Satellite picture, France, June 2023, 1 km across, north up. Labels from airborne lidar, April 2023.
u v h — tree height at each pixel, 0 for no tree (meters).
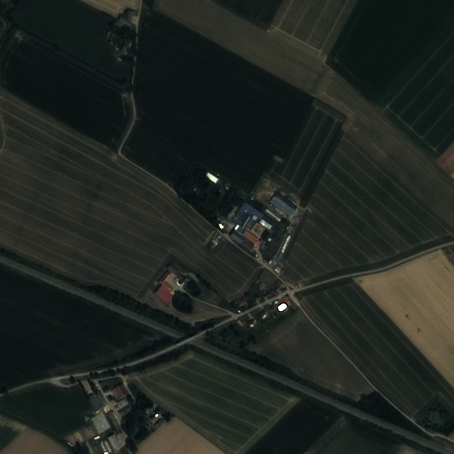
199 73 0
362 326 0
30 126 0
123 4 0
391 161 0
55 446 0
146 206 0
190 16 0
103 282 0
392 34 0
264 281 0
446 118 0
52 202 0
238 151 0
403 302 0
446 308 0
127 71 0
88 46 0
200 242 0
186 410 0
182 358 0
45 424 0
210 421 0
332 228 0
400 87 0
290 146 0
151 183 0
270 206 0
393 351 0
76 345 0
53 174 0
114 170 0
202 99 0
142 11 0
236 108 0
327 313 0
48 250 0
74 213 0
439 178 0
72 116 0
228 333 11
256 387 0
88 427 0
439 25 0
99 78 0
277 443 0
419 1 0
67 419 0
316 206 0
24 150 0
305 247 0
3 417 0
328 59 0
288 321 0
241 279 0
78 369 0
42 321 0
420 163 0
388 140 0
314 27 0
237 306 12
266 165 0
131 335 0
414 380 0
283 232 0
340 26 0
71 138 0
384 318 0
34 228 0
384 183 0
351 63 0
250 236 0
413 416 0
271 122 0
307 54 0
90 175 0
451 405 0
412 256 0
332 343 0
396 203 0
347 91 0
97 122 0
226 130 0
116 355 0
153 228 0
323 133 0
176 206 0
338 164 0
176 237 0
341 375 0
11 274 0
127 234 0
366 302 0
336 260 0
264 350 0
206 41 0
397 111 0
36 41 0
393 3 0
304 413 0
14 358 0
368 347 0
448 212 0
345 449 0
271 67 0
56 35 0
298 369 0
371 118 0
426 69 0
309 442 0
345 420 0
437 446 0
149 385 0
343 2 0
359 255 0
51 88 0
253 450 0
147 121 0
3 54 0
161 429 0
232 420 0
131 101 0
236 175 0
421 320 0
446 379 0
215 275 0
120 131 0
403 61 0
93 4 0
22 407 0
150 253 0
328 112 0
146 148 0
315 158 0
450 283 0
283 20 0
